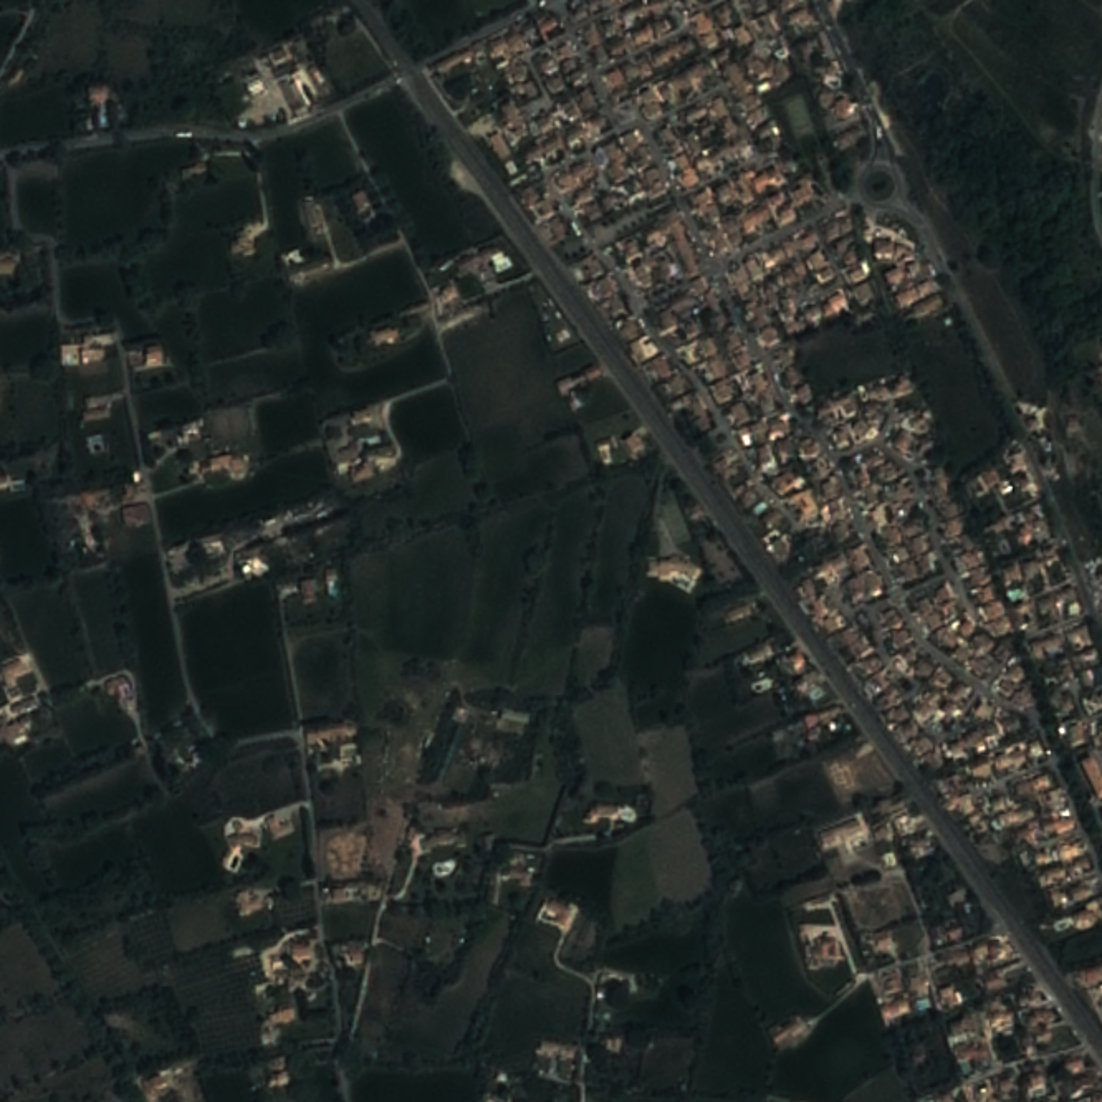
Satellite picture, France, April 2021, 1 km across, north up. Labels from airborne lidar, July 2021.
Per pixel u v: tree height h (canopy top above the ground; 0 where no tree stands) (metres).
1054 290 17
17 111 0
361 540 8
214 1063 8
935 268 0
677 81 0
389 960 0
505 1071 6
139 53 0
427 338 0
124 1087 13
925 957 0
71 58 0
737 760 0
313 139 0
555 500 0
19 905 10
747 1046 0
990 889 0
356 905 0
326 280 0
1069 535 0
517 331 0
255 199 0
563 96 6
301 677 0
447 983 8
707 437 12
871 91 0
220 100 8
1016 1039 7
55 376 16
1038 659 7
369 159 10
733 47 7
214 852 0
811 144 0
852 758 0
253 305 0
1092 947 0
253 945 10
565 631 0
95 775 13
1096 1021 0
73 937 11
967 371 0
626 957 0
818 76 8
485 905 11
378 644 0
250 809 6
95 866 0
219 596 0
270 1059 6
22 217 0
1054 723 14
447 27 0
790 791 0
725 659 7
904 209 0
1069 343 17
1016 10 0
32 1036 0
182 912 0
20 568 0
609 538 0
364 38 0
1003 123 7
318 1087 12
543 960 0
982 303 0
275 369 0
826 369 0
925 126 8
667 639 0
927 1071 13
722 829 8
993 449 6
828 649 0
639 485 0
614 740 0
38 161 11
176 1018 8
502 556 0
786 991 0
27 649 0
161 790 12
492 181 0
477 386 0
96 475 8
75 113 6
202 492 0
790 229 0
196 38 6
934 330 0
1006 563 10
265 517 6
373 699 0
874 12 19
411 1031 0
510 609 0
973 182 10
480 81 10
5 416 0
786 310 0
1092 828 14
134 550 0
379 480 6
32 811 0
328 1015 10
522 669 0
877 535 8
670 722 12
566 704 12
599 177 0
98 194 0
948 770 11
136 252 13
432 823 9
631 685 13
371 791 0
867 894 0
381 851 0
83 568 7
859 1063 0
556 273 0
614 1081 7
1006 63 0
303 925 7
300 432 0
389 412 0
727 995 0
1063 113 0
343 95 6
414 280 0
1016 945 0
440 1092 0
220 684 0
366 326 6
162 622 0
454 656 0
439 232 0
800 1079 0
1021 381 0
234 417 0
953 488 6
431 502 0
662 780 0
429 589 0
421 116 7
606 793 12
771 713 0
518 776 6
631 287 0
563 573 0
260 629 0
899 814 0
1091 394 12
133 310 0
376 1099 0
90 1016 11
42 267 7
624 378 0
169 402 0
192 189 10
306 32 6
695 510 0
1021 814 0
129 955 12
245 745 6
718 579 9
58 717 10
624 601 7
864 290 0
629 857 0
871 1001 0
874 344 0
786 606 0
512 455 0
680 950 0
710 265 0
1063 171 7
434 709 0
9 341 0
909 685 11
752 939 0
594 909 7
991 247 6
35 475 11
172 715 0
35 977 0
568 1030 0
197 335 7
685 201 6
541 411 0
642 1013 0
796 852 0
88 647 7
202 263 0
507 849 15
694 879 0
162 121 0
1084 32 0
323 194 8
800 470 9
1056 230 20
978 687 0
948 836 0
